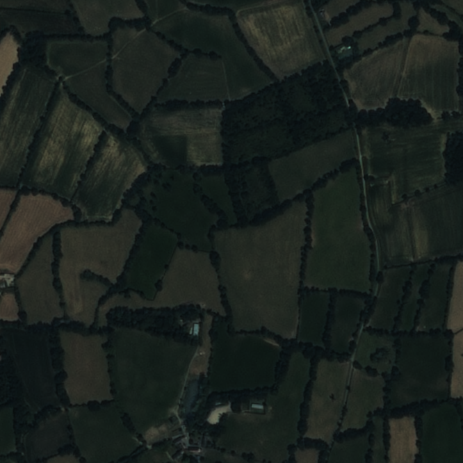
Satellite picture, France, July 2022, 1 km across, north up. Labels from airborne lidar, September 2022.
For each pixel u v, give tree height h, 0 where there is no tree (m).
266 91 10
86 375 0
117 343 0
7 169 0
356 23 0
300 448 13
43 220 0
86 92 0
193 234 0
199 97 0
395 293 0
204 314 10
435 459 0
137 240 12
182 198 0
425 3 16
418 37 0
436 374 0
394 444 0
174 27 0
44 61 28
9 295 0
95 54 0
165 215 0
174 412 0
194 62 0
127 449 0
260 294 0
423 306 16
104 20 0
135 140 15
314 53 0
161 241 0
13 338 0
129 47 0
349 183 0
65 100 0
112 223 8
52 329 20
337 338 0
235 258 0
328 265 0
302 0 0
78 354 0
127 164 0
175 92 0
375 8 0
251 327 0
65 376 14
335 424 0
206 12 10
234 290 0
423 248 0
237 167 16
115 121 0
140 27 19
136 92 0
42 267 0
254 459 13
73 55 0
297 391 0
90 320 0
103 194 0
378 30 0
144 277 0
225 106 11
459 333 0
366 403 0
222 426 15
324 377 0
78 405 6
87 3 0
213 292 0
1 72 0
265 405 14
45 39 31
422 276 0
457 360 0
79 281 0
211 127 0
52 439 0
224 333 0
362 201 13
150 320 16
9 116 0
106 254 0
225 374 0
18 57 8
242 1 0
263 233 0
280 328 0
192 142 0
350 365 0
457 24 11
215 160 0
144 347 0
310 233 14
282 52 0
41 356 0
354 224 0
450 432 0
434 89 0
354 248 0
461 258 15
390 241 0
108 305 0
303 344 12
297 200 9
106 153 0
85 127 0
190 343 12
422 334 12
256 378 0
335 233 0
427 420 0
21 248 0
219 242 0
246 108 9
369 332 13
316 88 13
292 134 15
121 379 0
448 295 8
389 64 0
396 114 23
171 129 0
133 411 0
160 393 0
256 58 9
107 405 14
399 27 0
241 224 17
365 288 0
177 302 0
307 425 18
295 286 0
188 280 0
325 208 0
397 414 18
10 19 0
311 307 0
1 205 0
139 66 0
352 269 0
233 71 0
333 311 18
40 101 0
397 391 0
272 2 0
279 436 0
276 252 0
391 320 0
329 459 6
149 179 16
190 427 28
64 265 0
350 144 0
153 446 11
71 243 0
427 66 0
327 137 8
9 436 0
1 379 12
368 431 14
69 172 0
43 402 0
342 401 0
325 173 0
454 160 19
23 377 0
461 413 10
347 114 16
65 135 0
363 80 0
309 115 8
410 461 0
